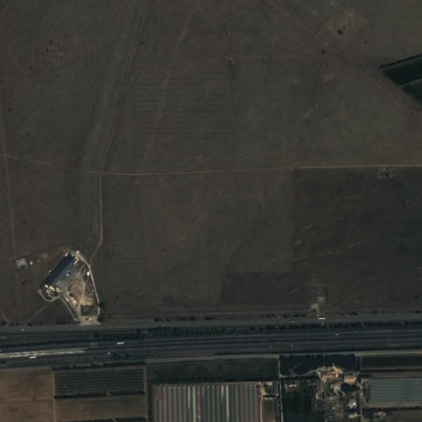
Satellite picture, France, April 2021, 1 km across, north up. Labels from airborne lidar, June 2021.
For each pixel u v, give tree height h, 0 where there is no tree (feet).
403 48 0
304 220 0
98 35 0
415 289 0
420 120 0
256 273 0
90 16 0
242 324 0
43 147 0
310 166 0
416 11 0
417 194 0
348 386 50
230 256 0
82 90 0
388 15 0
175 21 0
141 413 0
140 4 0
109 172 0
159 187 0
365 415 20
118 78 0
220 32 0
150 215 0
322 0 0
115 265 0
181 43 0
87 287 0
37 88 0
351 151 0
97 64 0
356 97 0
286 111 0
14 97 0
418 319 0
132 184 0
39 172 0
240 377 22
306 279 0
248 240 0
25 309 0
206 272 0
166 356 0
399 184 0
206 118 0
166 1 0
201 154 0
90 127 0
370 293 0
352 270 0
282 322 0
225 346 0
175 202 0
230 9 0
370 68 0
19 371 0
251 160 0
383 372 25
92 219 0
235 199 0
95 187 0
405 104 0
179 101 0
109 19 0
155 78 0
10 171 0
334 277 0
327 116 0
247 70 0
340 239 0
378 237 0
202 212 0
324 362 24
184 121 0
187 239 0
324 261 0
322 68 0
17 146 0
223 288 0
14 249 0
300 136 0
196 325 0
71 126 0
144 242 0
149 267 0
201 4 0
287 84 0
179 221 0
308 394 39
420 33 0
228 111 0
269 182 0
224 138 0
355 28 0
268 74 0
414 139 0
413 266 0
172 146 0
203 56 0
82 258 0
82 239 0
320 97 0
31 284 0
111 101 0
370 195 0
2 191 0
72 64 0
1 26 0
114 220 0
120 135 0
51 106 0
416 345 0
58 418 0
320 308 0
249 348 0
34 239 0
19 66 0
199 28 0
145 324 0
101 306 43
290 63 0
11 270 0
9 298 0
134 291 0
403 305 0
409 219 0
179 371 0
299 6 0
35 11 0
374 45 0
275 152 0
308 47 0
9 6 0
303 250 0
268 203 0
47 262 0
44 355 0
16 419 0
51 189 0
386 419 0
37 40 0
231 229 0
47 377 0
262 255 0
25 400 0
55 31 0
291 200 0
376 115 0
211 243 0
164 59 0
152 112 0
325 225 0
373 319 0
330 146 0
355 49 0
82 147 0
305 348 0
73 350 0
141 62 0
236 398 0
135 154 0
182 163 0
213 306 0
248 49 0
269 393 19
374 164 0
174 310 0
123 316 0
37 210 0
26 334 0
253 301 0
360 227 0
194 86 0
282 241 0
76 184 0
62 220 0
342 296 0
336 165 0
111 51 0
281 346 0
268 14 0
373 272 0
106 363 0
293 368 42
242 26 0
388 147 0
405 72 0
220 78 0
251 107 0
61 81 0
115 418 0
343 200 0
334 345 0
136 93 0
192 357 0
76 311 0
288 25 0
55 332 0
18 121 0
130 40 0
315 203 0
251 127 0
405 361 0
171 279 0
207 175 0
